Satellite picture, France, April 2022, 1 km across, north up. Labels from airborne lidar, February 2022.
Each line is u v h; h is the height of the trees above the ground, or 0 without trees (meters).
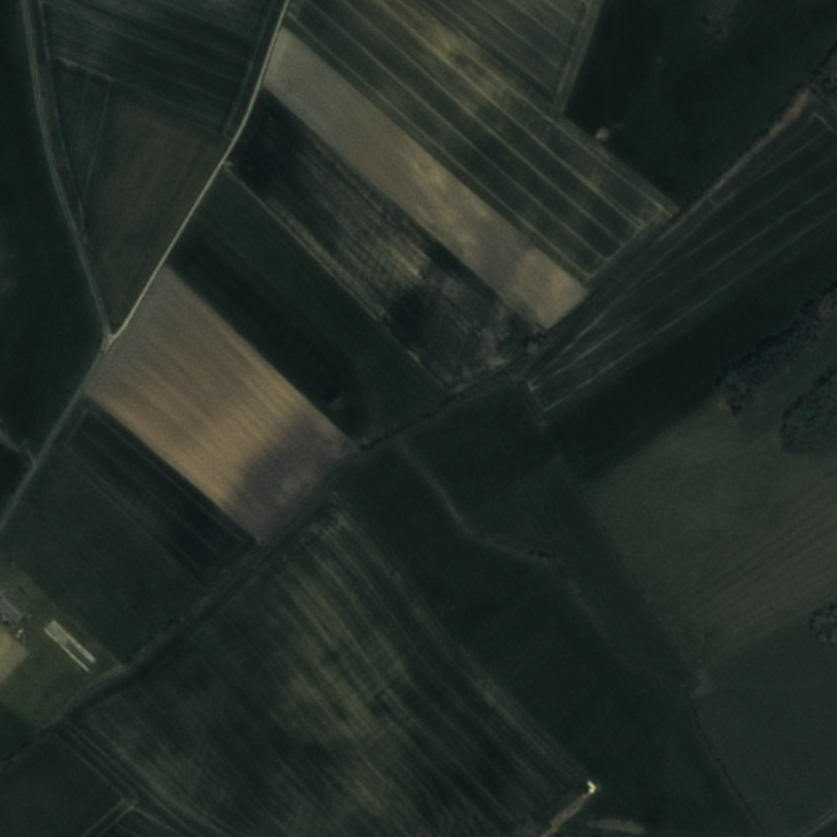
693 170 0
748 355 0
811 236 0
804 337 18
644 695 0
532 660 0
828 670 0
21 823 0
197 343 0
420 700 0
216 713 0
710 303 0
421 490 0
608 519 0
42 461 0
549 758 0
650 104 0
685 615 0
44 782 0
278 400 0
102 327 0
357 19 0
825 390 19
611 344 0
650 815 0
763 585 0
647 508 0
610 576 0
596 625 0
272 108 0
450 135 0
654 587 0
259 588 0
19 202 0
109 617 0
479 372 0
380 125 0
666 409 0
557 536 0
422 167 0
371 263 0
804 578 0
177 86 0
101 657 0
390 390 0
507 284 0
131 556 0
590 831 0
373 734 0
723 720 0
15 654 0
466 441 0
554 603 0
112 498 0
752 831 0
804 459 0
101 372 0
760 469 0
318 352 0
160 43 0
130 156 0
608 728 0
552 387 0
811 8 0
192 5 0
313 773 0
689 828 0
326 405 0
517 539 0
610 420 0
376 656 0
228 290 0
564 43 0
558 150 0
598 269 0
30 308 0
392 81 0
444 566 0
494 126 0
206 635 0
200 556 0
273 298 0
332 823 0
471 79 0
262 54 0
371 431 0
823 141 0
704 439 0
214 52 0
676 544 0
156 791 0
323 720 0
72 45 0
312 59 0
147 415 0
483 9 0
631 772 0
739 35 0
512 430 0
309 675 0
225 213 0
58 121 0
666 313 0
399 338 0
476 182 0
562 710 0
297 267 0
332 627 0
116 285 0
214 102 0
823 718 0
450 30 0
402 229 0
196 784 0
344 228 0
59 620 0
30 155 0
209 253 0
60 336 0
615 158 0
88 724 0
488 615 0
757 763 0
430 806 0
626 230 0
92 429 0
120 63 0
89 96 0
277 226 0
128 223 0
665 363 0
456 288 0
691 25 0
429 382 0
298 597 0
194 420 0
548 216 0
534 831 0
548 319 0
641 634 0
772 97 0
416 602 0
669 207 0
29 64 0
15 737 0
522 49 0
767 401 0
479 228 0
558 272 0
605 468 0
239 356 0
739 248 0
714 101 0
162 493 0
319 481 0
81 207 0
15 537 0
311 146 0
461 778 0
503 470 0
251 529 0
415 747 0
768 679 0
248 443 0
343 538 0
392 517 0
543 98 0
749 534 0
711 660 0
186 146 0
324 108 0
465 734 0
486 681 0
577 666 0
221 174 0
